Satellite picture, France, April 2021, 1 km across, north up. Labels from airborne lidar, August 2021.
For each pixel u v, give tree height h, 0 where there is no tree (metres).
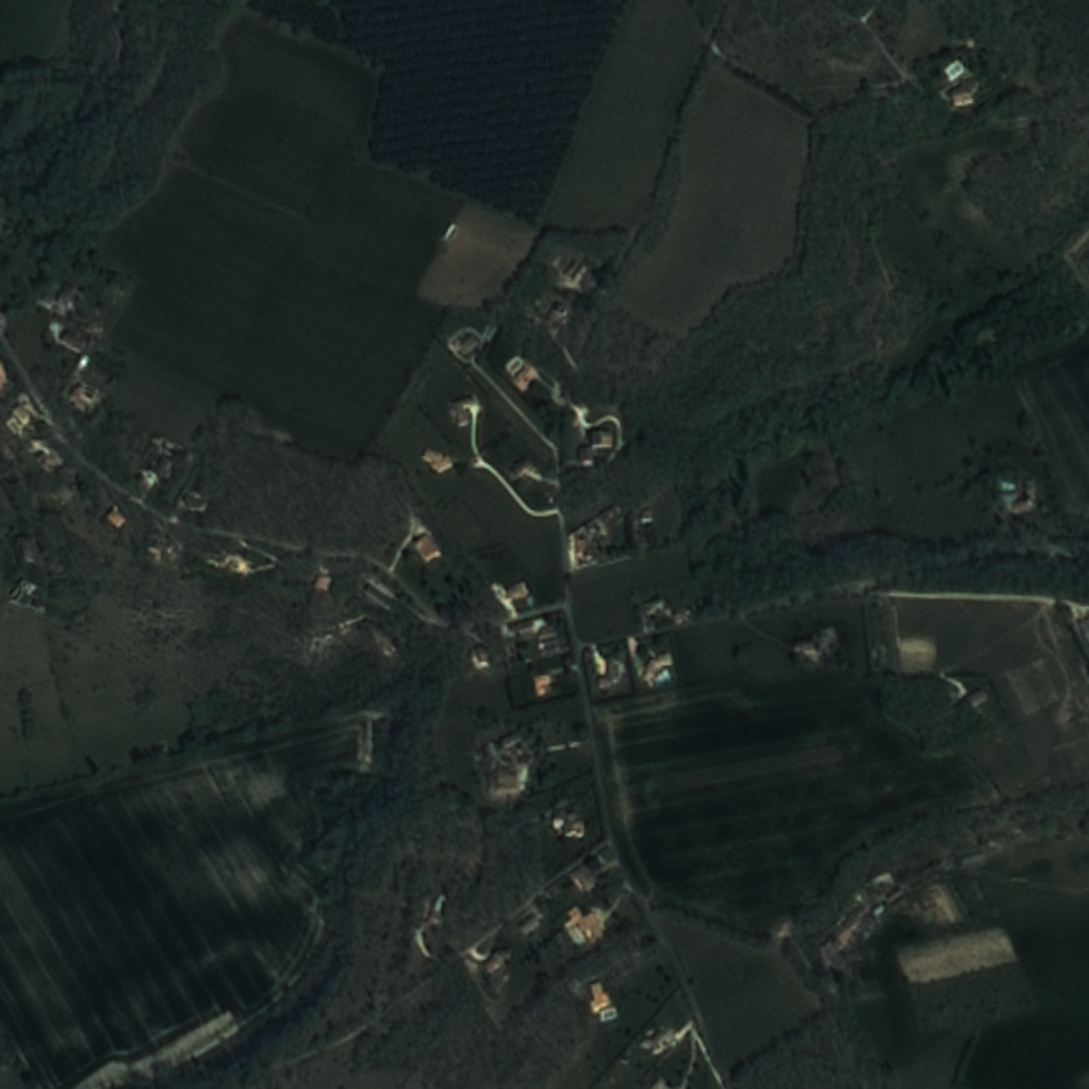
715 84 0
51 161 21
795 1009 0
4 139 23
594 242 16
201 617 0
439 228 0
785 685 0
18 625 0
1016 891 0
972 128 14
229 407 14
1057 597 10
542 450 0
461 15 10
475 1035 11
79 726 0
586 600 0
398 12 11
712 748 0
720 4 13
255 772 0
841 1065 19
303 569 17
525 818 13
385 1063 6
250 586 11
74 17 6
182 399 0
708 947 0
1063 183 11
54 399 14
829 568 18
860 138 20
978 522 0
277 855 0
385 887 12
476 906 14
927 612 0
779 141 0
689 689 0
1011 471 5
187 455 9
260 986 0
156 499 14
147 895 0
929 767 0
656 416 22
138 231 0
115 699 0
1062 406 0
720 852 0
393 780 9
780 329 17
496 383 0
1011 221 15
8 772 0
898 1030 0
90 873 0
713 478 20
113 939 0
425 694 18
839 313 6
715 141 0
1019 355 14
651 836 0
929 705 13
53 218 15
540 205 10
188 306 0
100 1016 0
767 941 13
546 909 9
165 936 0
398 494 17
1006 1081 0
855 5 9
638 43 0
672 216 7
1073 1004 0
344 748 0
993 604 0
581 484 19
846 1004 25
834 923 23
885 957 0
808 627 8
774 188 0
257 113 0
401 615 12
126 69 8
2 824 0
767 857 0
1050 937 0
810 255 18
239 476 16
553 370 20
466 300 0
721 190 0
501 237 0
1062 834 16
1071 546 8
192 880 0
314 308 0
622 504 16
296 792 0
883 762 0
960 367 19
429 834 14
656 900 0
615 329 10
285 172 0
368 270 0
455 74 12
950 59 12
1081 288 9
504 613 16
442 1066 9
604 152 0
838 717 0
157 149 13
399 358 0
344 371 0
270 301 0
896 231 0
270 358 0
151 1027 0
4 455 8
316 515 13
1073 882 0
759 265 0
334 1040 10
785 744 0
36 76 21
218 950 0
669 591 0
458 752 0
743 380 14
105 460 15
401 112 9
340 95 0
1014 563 11
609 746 0
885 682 11
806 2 13
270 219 0
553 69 9
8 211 17
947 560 16
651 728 0
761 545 23
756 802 0
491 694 0
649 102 0
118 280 10
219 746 20
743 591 23
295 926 0
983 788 0
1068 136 20
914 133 20
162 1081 14
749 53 8
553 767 6
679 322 0
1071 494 0
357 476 18
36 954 0
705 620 11
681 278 0
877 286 12
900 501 0
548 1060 15
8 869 0
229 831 0
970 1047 7
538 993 9
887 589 7
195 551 11
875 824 0
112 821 0
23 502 19
